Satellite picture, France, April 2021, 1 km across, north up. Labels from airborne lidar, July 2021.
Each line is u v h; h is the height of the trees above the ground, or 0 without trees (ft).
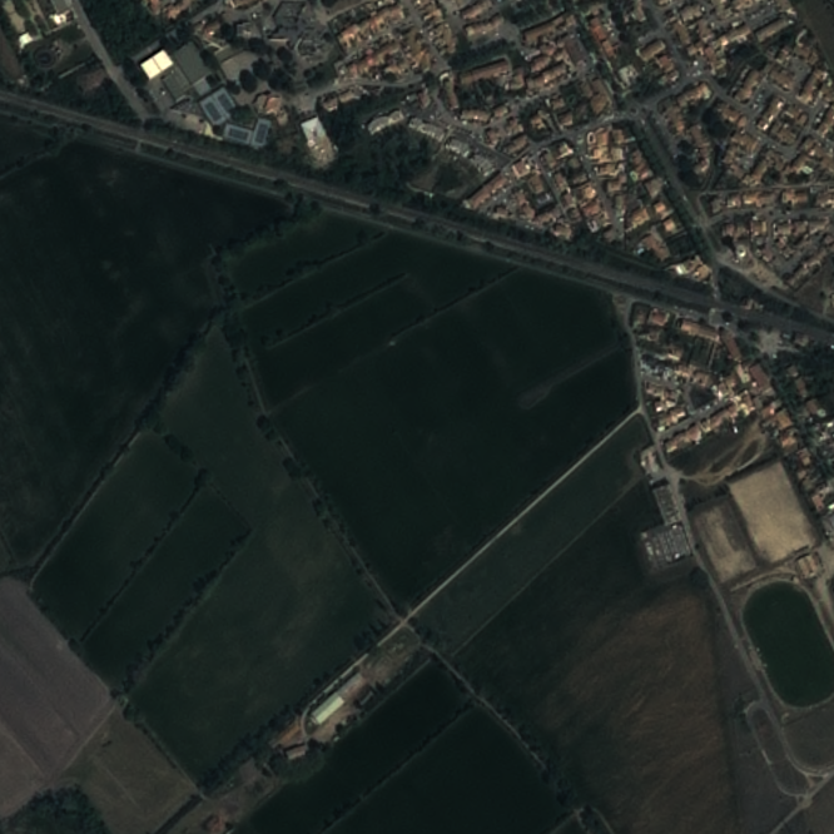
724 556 0
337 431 0
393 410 0
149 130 45
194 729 0
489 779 0
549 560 0
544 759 37
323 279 0
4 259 0
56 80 28
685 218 55
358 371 0
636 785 0
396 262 0
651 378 0
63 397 0
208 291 0
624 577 0
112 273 0
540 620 0
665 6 0
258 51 48
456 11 0
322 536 0
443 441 0
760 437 0
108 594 0
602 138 0
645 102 35
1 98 0
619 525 0
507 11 0
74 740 0
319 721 0
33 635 0
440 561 0
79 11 0
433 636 57
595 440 22
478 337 0
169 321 0
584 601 0
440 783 0
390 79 36
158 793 0
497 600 0
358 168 38
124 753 0
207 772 0
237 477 0
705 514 0
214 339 0
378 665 0
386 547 0
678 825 0
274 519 0
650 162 52
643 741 0
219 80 29
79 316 0
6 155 0
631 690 0
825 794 0
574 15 47
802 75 0
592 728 0
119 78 0
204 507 0
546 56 0
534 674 0
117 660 0
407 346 0
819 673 0
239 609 0
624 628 0
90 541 0
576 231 23
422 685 0
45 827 0
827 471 36
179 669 0
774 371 44
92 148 0
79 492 0
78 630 0
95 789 0
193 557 0
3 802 0
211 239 0
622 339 22
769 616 0
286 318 0
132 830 0
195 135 36
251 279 0
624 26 29
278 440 37
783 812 0
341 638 0
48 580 0
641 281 0
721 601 0
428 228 52
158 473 0
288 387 0
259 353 0
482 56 56
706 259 56
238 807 0
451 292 0
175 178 0
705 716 0
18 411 0
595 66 0
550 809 0
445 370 0
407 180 44
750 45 23
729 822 0
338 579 0
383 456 0
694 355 18
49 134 0
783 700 0
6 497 0
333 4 31
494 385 0
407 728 0
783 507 0
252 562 0
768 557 0
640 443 0
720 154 38
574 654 0
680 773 0
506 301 0
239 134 0
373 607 0
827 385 24
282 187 44
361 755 0
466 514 0
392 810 0
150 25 38
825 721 0
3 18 47
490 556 0
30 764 0
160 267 0
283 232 41
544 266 34
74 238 0
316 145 0
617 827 0
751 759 0
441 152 0
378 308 0
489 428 0
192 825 0
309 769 73
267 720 0
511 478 0
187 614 29
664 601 0
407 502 0
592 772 0
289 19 0
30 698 0
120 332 0
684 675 0
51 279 0
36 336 0
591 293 0
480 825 0
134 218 0
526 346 0
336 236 0
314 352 0
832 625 0
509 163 0
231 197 0
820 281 0
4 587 0
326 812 0
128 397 0
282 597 0
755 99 0
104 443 0
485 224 27
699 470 0
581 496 0
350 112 44
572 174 33
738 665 0
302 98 0
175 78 0
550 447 0
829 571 0
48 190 0
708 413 0
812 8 0
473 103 27
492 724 0
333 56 0
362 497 0
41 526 0
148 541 0
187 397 0
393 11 0
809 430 33
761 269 0
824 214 0
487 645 0
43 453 0
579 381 0
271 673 0
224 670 0
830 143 0
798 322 24
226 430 0
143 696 0
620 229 0
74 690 0
